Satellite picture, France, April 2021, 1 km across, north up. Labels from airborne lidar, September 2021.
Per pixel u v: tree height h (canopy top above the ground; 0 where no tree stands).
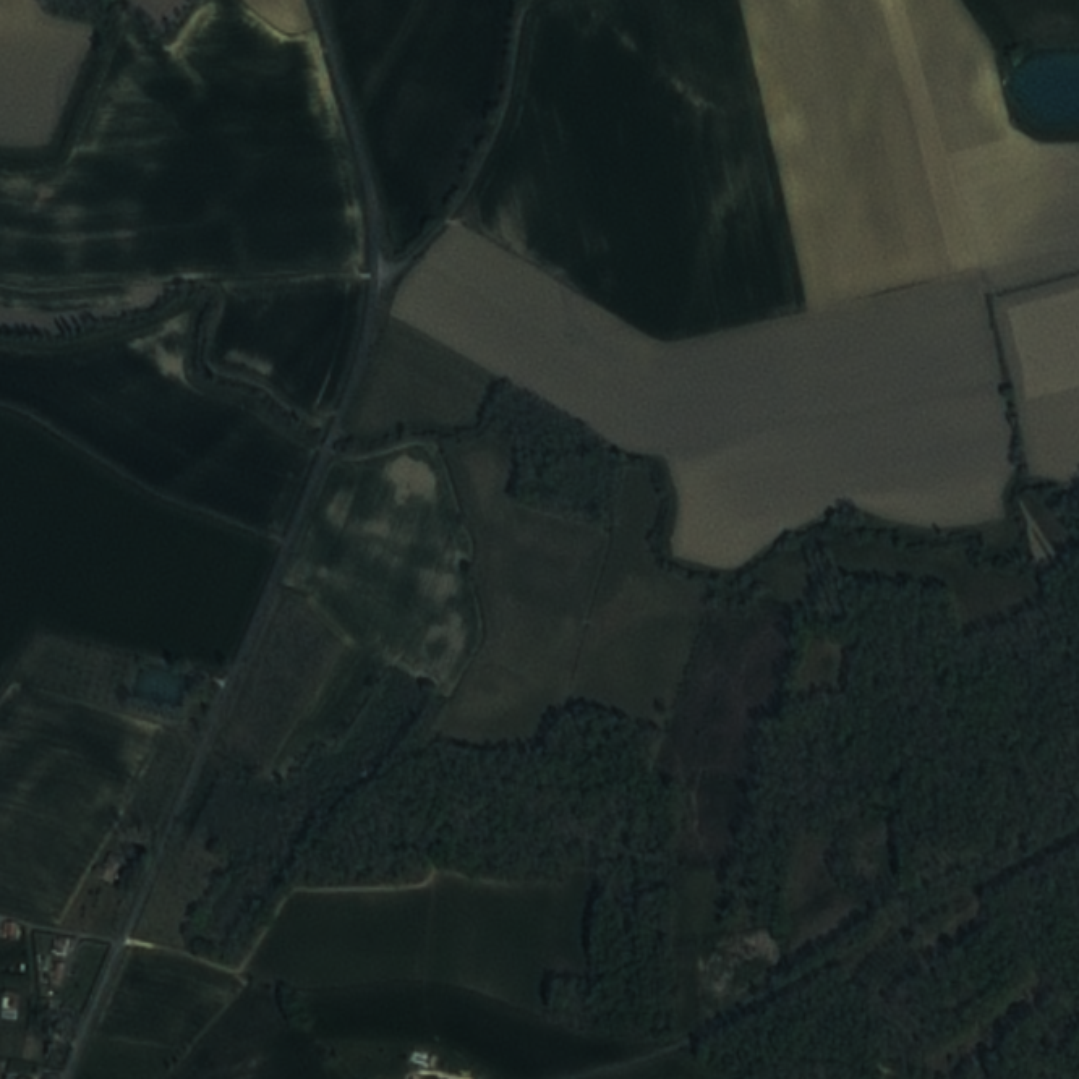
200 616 0
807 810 19
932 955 0
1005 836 18
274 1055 0
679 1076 0
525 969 0
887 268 0
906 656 17
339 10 0
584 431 17
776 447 0
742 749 0
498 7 0
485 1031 0
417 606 0
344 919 0
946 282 0
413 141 0
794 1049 25
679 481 0
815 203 0
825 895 0
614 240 0
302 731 0
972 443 0
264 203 0
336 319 0
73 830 0
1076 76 0
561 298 0
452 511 0
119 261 0
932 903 18
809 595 0
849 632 20
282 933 0
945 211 0
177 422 0
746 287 0
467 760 20
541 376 0
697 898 0
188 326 0
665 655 0
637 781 26
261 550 0
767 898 25
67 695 8
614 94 0
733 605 9
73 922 0
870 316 0
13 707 0
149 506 0
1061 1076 27
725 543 0
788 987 21
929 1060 23
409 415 0
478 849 22
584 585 0
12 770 0
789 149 0
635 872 14
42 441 0
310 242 0
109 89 0
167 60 0
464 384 0
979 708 24
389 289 0
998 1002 24
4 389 0
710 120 0
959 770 22
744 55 0
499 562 0
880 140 0
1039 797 21
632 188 0
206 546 0
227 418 0
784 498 0
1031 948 23
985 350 0
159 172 0
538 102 0
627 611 0
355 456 10
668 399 0
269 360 0
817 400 0
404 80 0
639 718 0
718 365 0
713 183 0
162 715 29
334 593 0
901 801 25
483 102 0
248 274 0
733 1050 26
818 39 0
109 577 0
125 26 0
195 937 13
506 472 0
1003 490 0
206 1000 0
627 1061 0
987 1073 24
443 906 0
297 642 11
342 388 0
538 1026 0
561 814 21
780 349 0
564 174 0
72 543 0
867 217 0
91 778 0
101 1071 0
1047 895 23
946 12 0
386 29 0
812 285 0
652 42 0
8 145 0
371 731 9
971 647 20
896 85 0
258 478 0
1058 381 0
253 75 0
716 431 0
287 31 0
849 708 21
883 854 0
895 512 0
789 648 28
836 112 0
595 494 12
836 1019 29
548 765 21
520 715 0
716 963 0
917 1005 24
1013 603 0
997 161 0
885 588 23
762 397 0
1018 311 0
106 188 0
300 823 10
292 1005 18
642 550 0
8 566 0
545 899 0
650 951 16
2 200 0
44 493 0
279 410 8
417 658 0
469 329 0
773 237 0
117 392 0
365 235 0
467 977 0
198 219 0
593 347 0
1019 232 0
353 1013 0
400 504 0
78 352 0
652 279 0
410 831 22
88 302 0
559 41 0
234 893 11
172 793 10
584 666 0
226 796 14
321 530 0
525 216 0
